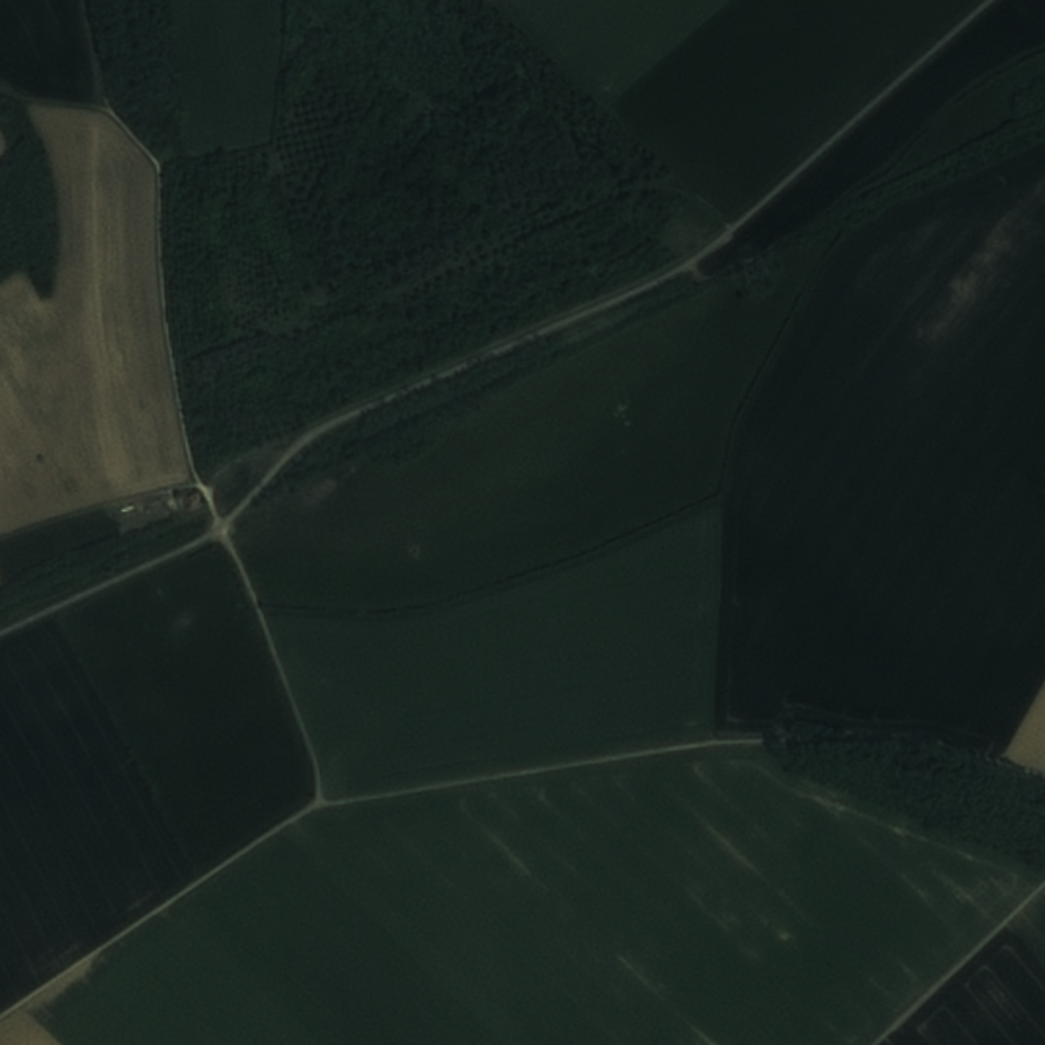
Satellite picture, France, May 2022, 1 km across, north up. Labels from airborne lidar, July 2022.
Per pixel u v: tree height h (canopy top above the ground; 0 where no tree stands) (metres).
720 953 0
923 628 0
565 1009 0
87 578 6
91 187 0
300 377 18
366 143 17
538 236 15
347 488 0
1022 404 0
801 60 0
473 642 0
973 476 0
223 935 0
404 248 13
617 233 17
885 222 0
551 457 0
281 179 9
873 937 0
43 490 0
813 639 0
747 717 0
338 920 0
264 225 14
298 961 0
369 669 0
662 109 0
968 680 0
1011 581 0
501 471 0
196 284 12
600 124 12
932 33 0
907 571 0
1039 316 0
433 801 0
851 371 0
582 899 0
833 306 0
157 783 0
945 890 0
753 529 0
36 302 0
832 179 0
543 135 24
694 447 0
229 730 0
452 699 0
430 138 15
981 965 0
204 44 0
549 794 0
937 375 0
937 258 0
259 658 0
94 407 0
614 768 0
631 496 0
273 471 0
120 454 0
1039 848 14
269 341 13
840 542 0
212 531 0
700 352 0
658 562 0
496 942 0
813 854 0
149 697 0
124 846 0
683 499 0
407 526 0
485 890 0
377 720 0
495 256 7
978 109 0
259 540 0
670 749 0
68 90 0
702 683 0
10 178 18
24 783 0
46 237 22
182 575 0
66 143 0
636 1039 0
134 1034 0
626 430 0
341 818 0
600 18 0
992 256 0
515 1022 0
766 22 0
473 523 0
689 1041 0
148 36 9
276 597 0
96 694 0
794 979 0
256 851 0
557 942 0
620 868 0
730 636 0
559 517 0
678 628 0
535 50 20
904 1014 0
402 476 0
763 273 20
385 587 0
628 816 0
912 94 0
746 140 0
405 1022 0
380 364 14
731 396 0
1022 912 0
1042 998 0
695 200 0
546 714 0
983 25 0
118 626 0
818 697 0
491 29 22
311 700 0
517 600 0
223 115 0
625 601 0
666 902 0
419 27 24
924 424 0
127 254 0
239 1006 0
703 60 0
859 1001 0
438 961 0
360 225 18
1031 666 0
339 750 0
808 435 0
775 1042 0
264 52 0
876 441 0
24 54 0
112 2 14
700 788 0
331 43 12
